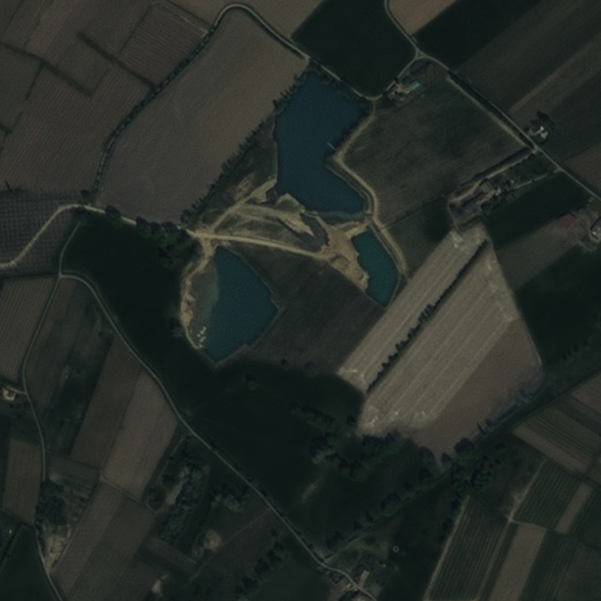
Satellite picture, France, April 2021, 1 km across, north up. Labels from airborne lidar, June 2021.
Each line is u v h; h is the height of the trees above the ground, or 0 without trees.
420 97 0
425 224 0
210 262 0
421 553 0
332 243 0
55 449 0
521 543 0
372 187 0
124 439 0
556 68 0
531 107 0
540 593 0
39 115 0
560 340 0
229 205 0
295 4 0
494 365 0
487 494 0
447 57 0
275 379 0
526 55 0
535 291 0
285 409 0
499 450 10
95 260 0
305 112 0
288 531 0
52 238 22
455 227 0
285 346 0
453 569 0
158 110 0
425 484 20
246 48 0
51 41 0
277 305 0
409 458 0
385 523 0
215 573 0
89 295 0
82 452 0
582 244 0
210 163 0
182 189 0
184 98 0
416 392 0
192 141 0
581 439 0
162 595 0
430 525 0
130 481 0
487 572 0
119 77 0
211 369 0
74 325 0
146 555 0
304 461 0
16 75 0
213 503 18
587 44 0
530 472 0
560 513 0
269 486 0
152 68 0
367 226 0
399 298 0
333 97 0
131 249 0
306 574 0
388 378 0
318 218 0
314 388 0
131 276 0
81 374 0
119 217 19
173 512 11
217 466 0
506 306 0
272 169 0
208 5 0
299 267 0
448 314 0
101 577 0
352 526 0
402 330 0
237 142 0
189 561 0
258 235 0
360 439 0
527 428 0
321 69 15
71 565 0
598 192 0
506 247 0
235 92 0
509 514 0
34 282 0
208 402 0
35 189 0
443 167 0
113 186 0
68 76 0
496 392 0
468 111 0
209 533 0
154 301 0
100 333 0
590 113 0
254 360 0
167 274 0
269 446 0
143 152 0
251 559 0
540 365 0
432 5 0
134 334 0
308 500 0
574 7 0
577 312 0
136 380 0
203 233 0
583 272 0
